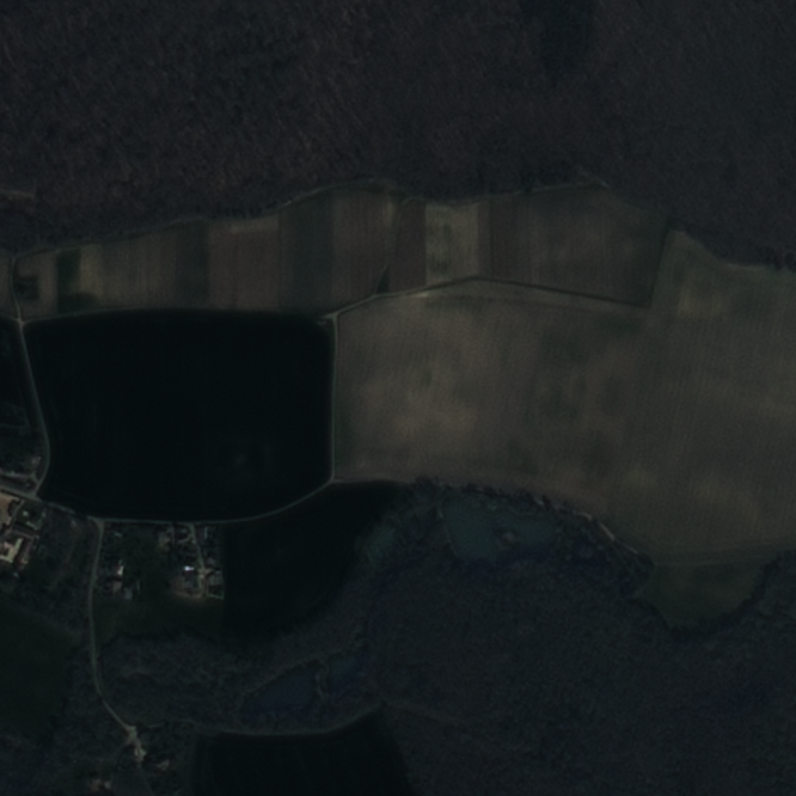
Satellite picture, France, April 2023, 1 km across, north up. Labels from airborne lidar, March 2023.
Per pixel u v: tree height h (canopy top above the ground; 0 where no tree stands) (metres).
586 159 21
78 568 0
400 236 0
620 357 0
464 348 0
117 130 18
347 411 0
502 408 0
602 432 0
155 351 0
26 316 0
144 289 0
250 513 0
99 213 18
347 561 0
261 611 0
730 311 0
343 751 0
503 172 16
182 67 24
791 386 0
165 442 0
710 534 0
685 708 19
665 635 19
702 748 23
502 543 12
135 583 9
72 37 20
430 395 0
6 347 0
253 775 0
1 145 24
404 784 0
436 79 25
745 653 23
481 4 20
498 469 0
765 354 0
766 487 0
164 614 0
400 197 0
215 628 0
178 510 0
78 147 23
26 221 20
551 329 0
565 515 8
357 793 0
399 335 0
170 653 14
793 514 0
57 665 0
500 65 23
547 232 0
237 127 16
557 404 0
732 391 0
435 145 24
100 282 0
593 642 28
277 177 21
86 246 0
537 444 0
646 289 0
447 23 22
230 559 0
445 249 0
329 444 0
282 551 0
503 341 0
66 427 0
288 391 0
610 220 0
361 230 0
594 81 23
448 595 25
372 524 0
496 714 25
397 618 29
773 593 31
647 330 0
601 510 0
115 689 15
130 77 23
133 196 18
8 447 0
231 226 0
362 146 20
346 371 0
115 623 0
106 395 0
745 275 0
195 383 0
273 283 0
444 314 0
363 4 17
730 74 27
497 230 0
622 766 21
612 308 0
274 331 0
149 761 8
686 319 0
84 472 0
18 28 22
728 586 0
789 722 20
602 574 19
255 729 15
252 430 0
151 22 21
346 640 22
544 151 23
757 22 25
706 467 0
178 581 0
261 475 0
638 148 19
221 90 23
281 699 0
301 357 0
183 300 0
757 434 0
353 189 0
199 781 0
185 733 6
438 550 24
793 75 23
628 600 18
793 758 17
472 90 23
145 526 13
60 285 0
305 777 0
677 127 23
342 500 0
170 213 16
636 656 15
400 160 23
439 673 28
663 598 0
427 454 0
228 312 0
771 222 23
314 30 23
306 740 0
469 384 0
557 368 0
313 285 0
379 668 22
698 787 26
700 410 0
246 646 0
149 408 0
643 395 0
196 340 0
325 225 0
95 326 0
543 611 23
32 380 0
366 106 22
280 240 0
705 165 26
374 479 0
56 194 18
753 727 25
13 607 0
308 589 0
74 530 25
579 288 0
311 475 0
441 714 22
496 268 0
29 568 0
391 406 0
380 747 0
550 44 20
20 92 23
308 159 25
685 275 0
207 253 0
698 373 0
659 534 0
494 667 26
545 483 0
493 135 23
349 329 0
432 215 0
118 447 0
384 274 0
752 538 0
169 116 25
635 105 26
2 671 0
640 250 0
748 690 18
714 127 25
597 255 0
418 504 20
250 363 0
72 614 19
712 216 22
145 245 0
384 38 25
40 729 0
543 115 23
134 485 0
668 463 0
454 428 0
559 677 27
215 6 22
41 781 23
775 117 26
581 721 28
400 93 23
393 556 24
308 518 0
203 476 0
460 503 0
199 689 12
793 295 0
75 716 16
